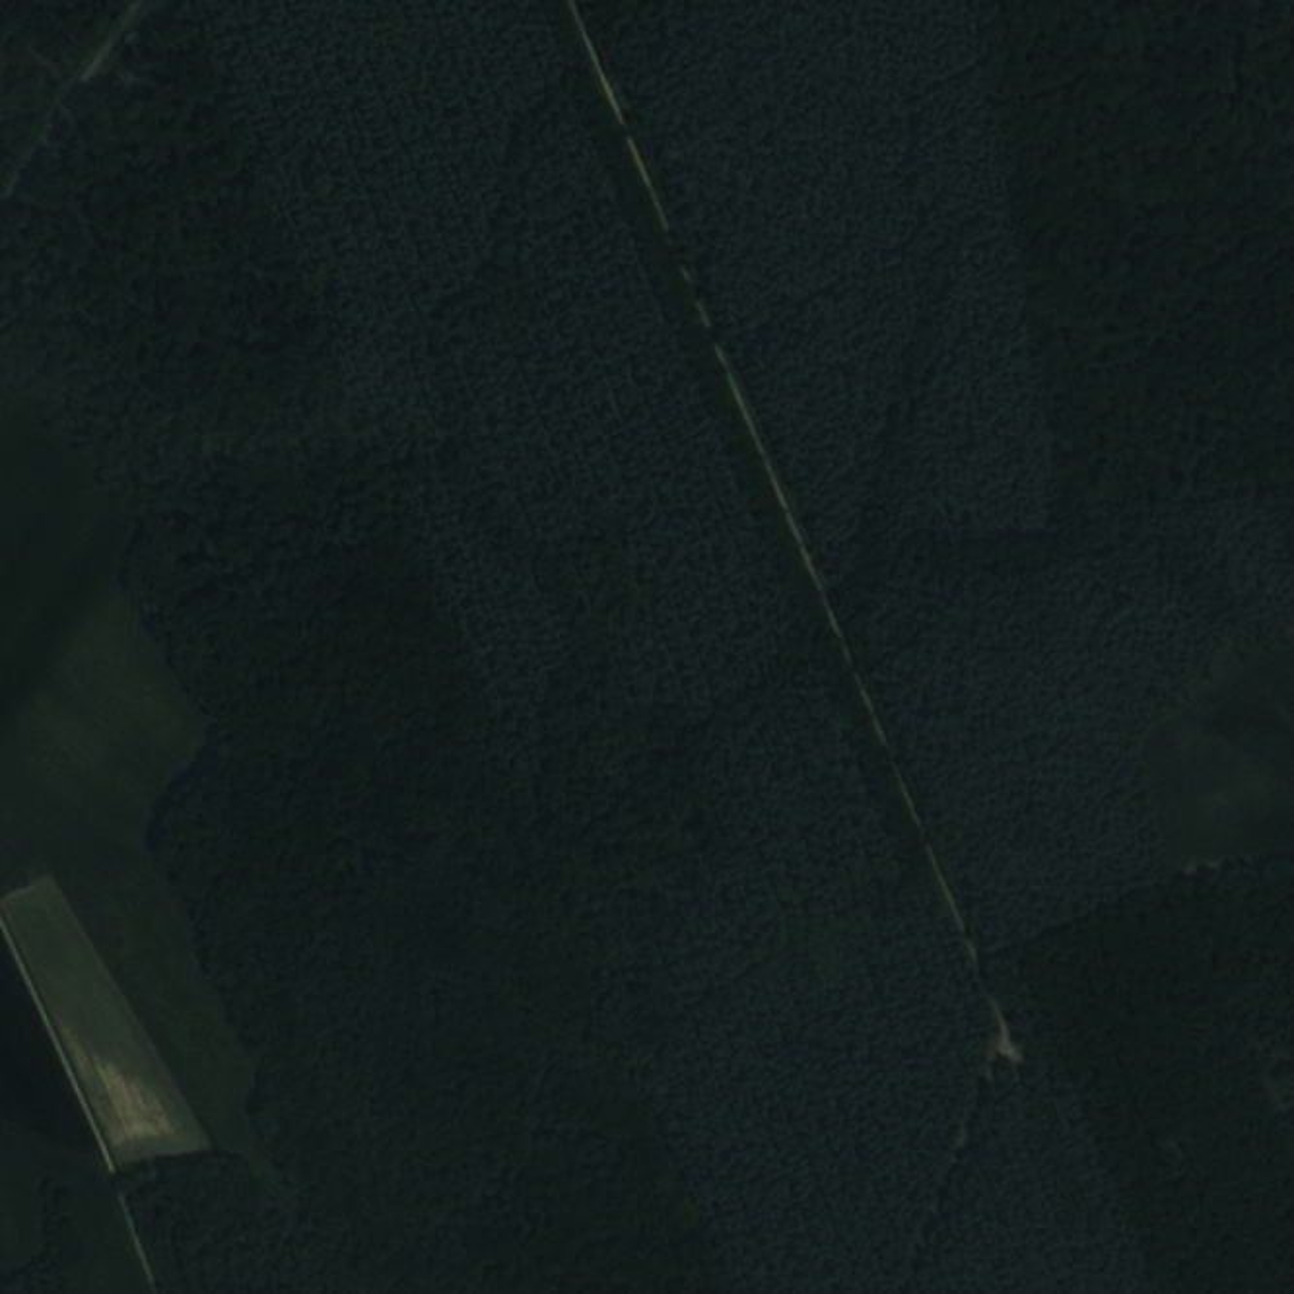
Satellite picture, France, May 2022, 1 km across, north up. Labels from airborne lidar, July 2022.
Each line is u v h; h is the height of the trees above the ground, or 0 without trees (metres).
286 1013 26
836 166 22
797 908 22
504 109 20
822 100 23
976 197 19
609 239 18
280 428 22
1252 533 20
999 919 20
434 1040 28
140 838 0
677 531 25
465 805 18
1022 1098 19
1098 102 26
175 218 19
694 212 20
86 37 29
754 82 21
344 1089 21
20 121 25
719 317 18
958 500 15
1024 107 29
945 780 24
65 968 0
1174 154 25
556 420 20
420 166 19
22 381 20
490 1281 27
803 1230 18
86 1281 0
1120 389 27
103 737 0
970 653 21
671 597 11
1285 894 19
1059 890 25
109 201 28
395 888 27
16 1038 0
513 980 26
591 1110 24
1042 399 18
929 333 22
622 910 17
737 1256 22
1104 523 22
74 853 0
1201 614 19
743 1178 23
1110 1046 20
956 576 18
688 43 22
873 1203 21
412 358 12
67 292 26
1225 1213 18
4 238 18
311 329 25
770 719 15
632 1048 18
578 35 15
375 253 21
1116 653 25
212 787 24
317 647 29
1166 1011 23
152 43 26
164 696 0
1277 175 27
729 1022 17
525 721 19
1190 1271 20
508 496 18
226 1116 0
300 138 17
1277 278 28
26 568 0
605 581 13
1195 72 30
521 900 23
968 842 25
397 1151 18
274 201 17
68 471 0
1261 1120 21
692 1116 24
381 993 28
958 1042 23
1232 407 25
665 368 18
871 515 21
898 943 25
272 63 18
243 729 25
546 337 21
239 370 24
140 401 26
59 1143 0
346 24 24
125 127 28
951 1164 7
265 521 27
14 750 0
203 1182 22
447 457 20
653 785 24
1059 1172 20
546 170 25
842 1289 24
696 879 22
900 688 25
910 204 23
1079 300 27
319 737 22
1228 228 29
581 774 13
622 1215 25
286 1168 23
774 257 24
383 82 19
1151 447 23
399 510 18
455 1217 29
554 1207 29
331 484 23
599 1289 29
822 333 24
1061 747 27
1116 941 22
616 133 18
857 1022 19
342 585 28
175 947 0
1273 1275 21
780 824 18
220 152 24
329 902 25
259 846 30
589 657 22
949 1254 25
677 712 16
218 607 28
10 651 0
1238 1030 16
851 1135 20
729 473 14
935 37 21
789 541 21
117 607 0
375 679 25
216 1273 19
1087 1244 21
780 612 18
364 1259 27
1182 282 31
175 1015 0
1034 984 21
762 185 25
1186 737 0
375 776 28
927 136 24
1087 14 21
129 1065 0
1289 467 26
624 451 16
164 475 30
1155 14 27
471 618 20
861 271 20
